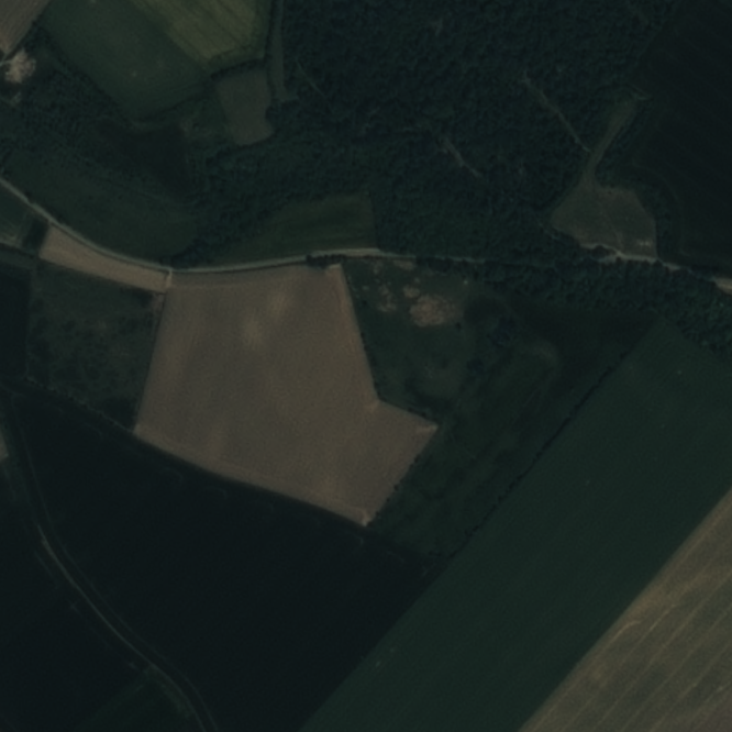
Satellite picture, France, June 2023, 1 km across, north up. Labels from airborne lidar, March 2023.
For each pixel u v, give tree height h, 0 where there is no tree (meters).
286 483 0
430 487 0
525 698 0
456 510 0
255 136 0
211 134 0
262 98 0
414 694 0
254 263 0
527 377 0
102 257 0
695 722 0
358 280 0
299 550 0
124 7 0
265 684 0
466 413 0
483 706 0
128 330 0
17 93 0
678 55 0
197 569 0
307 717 0
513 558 0
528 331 0
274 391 0
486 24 17
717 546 0
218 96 0
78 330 0
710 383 0
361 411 0
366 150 9
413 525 0
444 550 0
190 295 0
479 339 0
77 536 0
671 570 0
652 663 0
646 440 0
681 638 0
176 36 0
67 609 0
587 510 0
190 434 0
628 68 13
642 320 0
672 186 0
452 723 0
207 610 0
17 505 0
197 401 0
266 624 0
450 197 15
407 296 0
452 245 11
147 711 0
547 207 10
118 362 0
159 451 0
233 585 0
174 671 0
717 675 0
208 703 0
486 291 0
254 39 0
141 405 0
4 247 0
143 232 0
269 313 0
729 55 0
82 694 0
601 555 0
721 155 0
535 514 0
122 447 0
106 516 0
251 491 0
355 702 0
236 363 0
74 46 0
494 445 0
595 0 7
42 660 0
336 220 0
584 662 0
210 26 0
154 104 0
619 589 0
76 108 8
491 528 0
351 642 0
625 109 0
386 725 0
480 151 13
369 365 0
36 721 0
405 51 15
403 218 16
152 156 0
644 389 0
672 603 0
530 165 6
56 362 0
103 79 0
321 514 0
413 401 0
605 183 7
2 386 0
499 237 9
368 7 15
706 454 0
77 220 0
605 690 0
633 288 16
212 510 0
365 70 24
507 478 0
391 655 0
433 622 0
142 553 0
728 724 0
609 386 0
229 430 0
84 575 0
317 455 0
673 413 0
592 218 0
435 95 15
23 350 0
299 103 17
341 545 0
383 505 0
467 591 0
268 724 0
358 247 0
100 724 0
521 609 0
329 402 0
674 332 0
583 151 8
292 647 0
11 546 0
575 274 14
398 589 0
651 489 0
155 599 0
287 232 0
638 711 0
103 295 0
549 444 7
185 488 0
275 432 0
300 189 15
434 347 0
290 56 7
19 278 0
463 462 0
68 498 0
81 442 0
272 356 0
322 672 0
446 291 0
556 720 0
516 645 0
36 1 0
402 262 0
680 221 0
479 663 0
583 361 0
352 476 0
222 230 15
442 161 16
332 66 19
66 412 0
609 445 0
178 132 0
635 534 0
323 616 0
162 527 0
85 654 0
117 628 0
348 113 16
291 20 8
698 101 0
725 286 0
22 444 0
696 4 0
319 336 0
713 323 19
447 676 0
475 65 10
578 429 0
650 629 0
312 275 0
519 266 17
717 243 0
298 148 7
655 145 0
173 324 0
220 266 0
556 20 8
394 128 8
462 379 0
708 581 0
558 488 0
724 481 0
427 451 0
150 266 0
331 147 20
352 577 0
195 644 0
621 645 0
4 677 0
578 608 0
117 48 0
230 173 20
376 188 7
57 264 0
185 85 0
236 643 0
